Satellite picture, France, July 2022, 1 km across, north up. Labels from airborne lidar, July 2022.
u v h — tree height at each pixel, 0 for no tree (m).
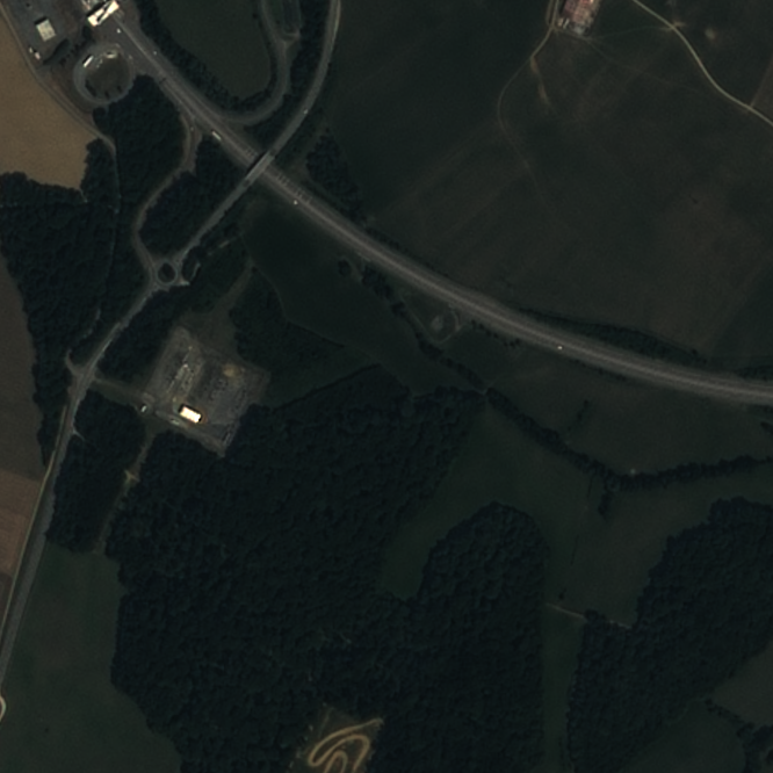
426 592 12
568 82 0
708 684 13
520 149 0
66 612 0
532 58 0
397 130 0
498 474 0
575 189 0
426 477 23
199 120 0
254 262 0
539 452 0
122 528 12
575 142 0
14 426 0
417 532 0
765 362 0
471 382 14
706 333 0
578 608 0
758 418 0
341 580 16
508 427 0
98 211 22
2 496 0
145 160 21
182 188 24
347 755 0
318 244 0
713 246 0
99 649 0
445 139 0
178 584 18
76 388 0
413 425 24
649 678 14
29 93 0
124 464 13
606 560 0
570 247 0
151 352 19
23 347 0
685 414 0
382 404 11
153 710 23
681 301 0
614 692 20
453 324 0
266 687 27
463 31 0
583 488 0
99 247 24
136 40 0
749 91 0
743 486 0
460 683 22
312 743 0
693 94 0
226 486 20
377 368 8
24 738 0
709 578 24
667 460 0
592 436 0
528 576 22
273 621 21
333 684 25
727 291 0
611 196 0
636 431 0
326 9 11
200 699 24
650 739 15
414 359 0
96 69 0
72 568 0
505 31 0
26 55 0
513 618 28
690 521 0
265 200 0
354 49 0
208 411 0
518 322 0
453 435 22
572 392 0
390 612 23
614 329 9
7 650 0
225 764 24
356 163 0
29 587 0
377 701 25
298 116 0
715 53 0
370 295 0
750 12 0
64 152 0
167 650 27
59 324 21
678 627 18
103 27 0
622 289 0
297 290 0
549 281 0
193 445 13
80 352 26
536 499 0
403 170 0
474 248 0
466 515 0
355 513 27
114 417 22
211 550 27
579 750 15
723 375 0
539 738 19
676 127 0
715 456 0
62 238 22
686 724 0
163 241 18
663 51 0
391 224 0
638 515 0
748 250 0
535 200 0
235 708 28
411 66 0
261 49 0
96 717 0
